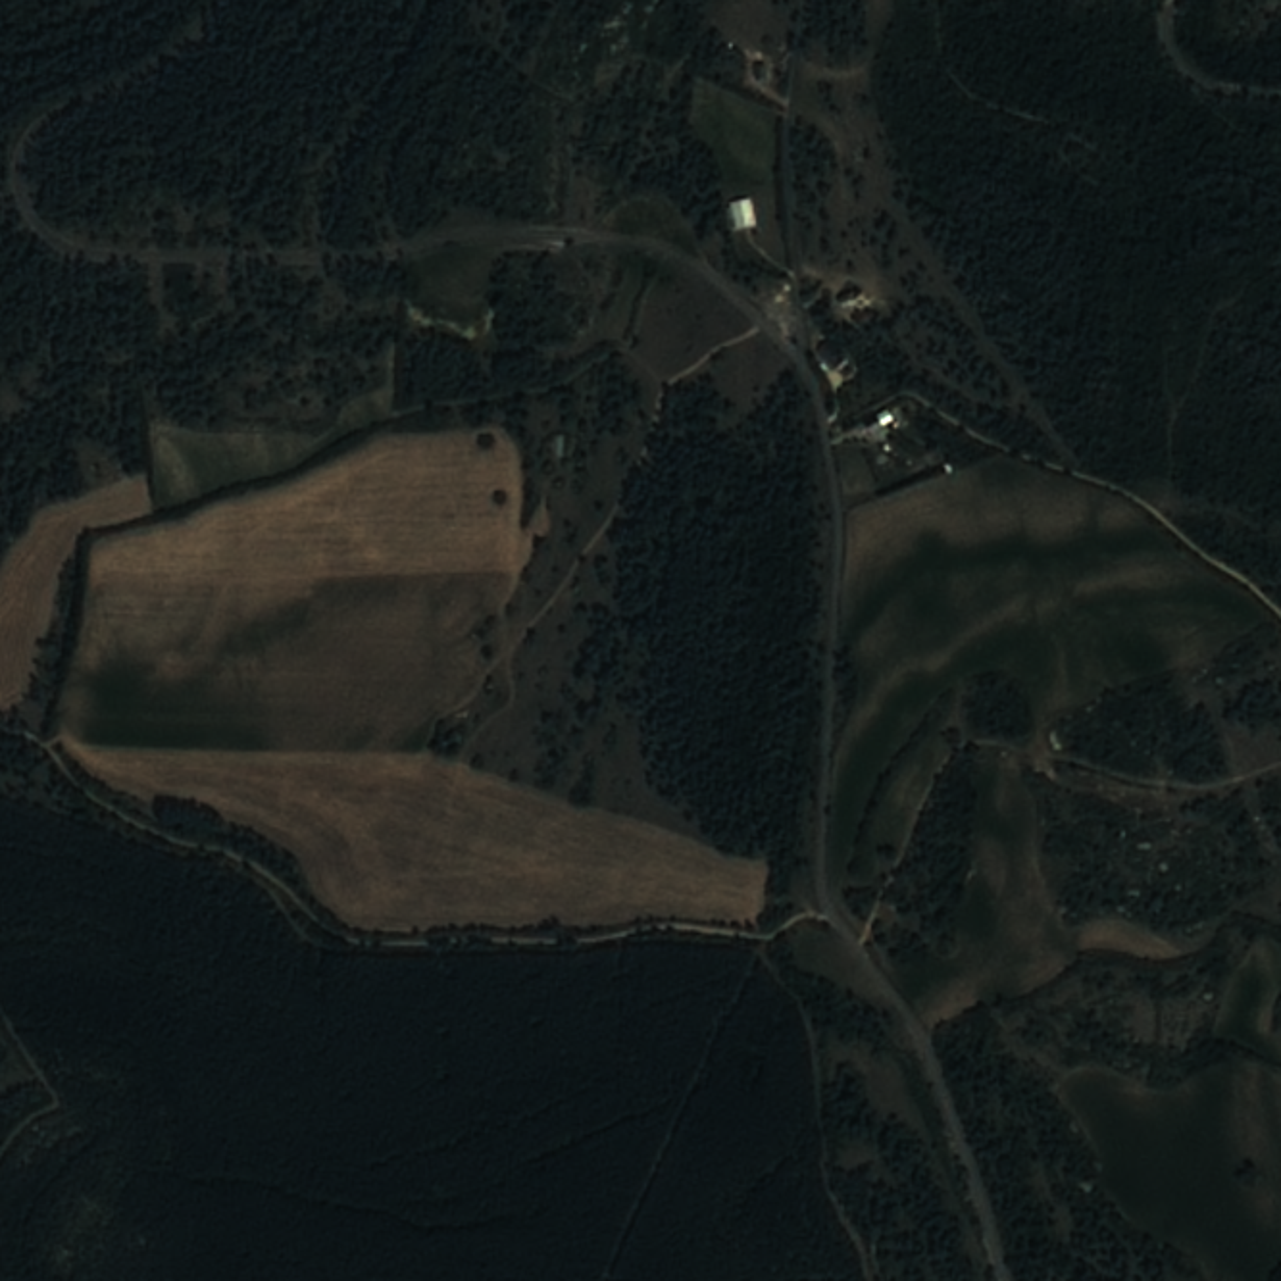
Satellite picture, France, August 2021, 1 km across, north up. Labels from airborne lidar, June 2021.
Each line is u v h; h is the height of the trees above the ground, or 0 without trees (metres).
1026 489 0
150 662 0
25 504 11
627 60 0
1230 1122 0
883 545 0
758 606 14
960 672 0
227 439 0
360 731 0
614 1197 8
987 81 12
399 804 0
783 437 9
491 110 10
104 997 11
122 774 0
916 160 7
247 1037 7
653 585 13
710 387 9
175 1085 8
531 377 14
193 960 6
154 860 9
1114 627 0
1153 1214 0
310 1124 8
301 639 0
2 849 7
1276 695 9
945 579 0
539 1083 8
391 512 0
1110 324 9
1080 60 11
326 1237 9
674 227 0
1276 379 9
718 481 15
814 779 9
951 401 9
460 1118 9
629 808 0
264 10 11
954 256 10
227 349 8
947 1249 14
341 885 0
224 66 14
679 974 9
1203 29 11
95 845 10
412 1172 9
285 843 0
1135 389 7
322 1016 8
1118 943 0
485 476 0
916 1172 8
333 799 0
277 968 6
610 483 0
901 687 0
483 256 0
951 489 0
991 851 0
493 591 0
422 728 0
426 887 0
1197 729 11
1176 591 0
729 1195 8
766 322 0
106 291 15
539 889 0
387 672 0
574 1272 7
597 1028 9
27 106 14
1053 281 11
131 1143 7
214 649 0
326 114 12
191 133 13
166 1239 8
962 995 0
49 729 9
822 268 0
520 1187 9
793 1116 7
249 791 0
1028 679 0
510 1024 9
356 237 16
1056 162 8
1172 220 6
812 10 7
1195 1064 6
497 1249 7
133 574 0
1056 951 0
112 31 11
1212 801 9
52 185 9
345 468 0
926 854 10
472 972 10
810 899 0
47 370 8
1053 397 8
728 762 14
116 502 0
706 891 0
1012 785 0
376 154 15
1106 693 7
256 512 0
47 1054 6
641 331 0
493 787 0
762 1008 9
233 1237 10
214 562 0
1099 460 7
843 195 0
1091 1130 0
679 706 10
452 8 13
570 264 0
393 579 0
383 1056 9
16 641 0
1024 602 0
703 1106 10
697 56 9
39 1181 8
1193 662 0
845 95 0
